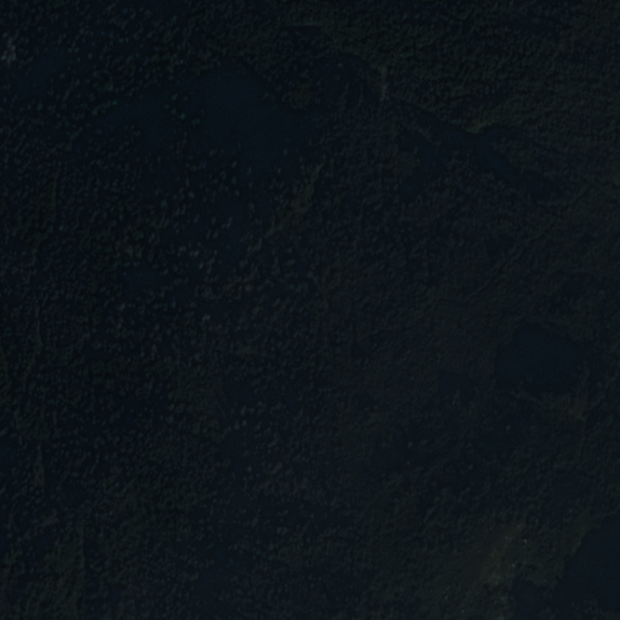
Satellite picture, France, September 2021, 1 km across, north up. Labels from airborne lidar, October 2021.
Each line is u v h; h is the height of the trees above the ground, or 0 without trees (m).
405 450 6
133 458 14
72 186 20
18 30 15
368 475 6
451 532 5
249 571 8
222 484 9
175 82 12
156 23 33
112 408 14
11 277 24
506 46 8
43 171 29
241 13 8
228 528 11
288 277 10
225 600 9
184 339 10
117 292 12
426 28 8
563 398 9
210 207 13
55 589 6
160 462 9
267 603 8
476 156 6
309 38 7
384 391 6
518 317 8
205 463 12
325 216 7
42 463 7
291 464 9
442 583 0
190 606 9
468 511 6
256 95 18
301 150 9
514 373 6
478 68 13
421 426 7
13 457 25
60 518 12
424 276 10
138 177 23
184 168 18
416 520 6
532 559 0
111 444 11
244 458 26
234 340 7
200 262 24
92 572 6
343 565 9
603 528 0
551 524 5
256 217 9
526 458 7
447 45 12
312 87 9
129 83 17
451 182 7
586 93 6
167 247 11
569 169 6
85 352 8
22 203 12
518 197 5
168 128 17
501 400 6
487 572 0
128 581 11
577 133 7
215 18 11
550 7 6
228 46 14
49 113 22
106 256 19
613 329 6
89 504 6
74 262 20
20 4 20
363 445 6
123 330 27
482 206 6
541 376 8
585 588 8
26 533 22
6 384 6
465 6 15
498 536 0
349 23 11
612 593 8
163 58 20
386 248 9
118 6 20
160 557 6
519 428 6
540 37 7
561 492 6
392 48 11
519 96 7
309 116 10
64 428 9
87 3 14
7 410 8
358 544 9
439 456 8
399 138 5
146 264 10
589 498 9
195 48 12
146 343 21
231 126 17
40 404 15
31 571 15
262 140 20
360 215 9
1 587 8
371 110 8
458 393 6
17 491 23
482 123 15
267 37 11
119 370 23
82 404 17
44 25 14
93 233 16
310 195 14
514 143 9
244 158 18
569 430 6
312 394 8
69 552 9
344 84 6
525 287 7
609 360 5
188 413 8
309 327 8
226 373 10
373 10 8
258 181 10
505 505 5
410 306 7
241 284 34
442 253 5
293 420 13
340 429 7
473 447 7
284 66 18
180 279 11
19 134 15
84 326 16
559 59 7
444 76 18
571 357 6
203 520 8
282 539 9
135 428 21
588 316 10
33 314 28
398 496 7
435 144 7
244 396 6
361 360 7
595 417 6
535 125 8
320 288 8
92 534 11
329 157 6
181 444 12
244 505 9
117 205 17
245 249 29
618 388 7
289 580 7
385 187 9
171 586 8
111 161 16
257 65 11
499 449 9
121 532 7
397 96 7
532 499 7
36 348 7
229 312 9
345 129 9
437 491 7
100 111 18
